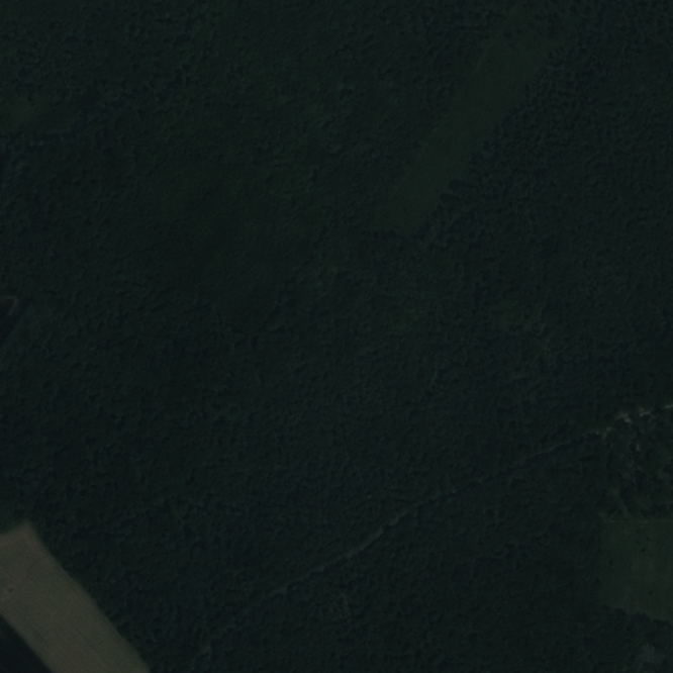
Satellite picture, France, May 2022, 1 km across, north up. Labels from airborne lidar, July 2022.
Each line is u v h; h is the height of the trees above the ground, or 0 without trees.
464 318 19
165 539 21
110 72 23
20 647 0
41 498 27
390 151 19
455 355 24
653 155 14
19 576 0
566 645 20
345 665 14
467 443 21
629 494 26
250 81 21
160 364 24
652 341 26
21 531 0
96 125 23
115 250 17
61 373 23
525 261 20
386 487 11
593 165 7
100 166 22
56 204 21
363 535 15
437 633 17
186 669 16
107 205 23
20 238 25
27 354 25
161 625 23
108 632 0
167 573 16
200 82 20
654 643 19
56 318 21
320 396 15
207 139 20
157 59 21
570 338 24
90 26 21
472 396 21
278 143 23
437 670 18
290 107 23
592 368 24
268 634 20
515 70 0
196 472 25
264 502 21
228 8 19
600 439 19
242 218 15
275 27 20
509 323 15
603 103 15
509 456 22
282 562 15
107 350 23
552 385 19
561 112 14
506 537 21
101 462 25
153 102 24
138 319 25
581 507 27
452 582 20
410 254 19
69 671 0
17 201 20
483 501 18
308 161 23
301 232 10
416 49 22
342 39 22
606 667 22
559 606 20
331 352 20
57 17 22
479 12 15
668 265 19
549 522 20
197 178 11
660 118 12
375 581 7
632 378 27
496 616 19
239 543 24
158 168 16
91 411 25
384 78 22
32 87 23
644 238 14
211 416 27
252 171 23
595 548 18
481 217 21
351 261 16
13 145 17
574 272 18
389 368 20
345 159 26
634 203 17
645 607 0
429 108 19
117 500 23
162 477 21
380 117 18
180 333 25
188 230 18
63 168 25
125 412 24
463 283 23
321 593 13
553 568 25
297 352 19
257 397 20
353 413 19
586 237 16
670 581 0
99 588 19
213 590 17
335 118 23
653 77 20
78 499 29
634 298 19
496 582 22
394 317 16
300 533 18
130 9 23
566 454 19
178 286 16
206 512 17
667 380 28
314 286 18
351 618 15
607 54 19
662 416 26
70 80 20
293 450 11
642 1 7
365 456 20
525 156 9
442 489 20
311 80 23
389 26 24
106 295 23
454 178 0
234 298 15
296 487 20
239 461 16
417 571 9
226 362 28
